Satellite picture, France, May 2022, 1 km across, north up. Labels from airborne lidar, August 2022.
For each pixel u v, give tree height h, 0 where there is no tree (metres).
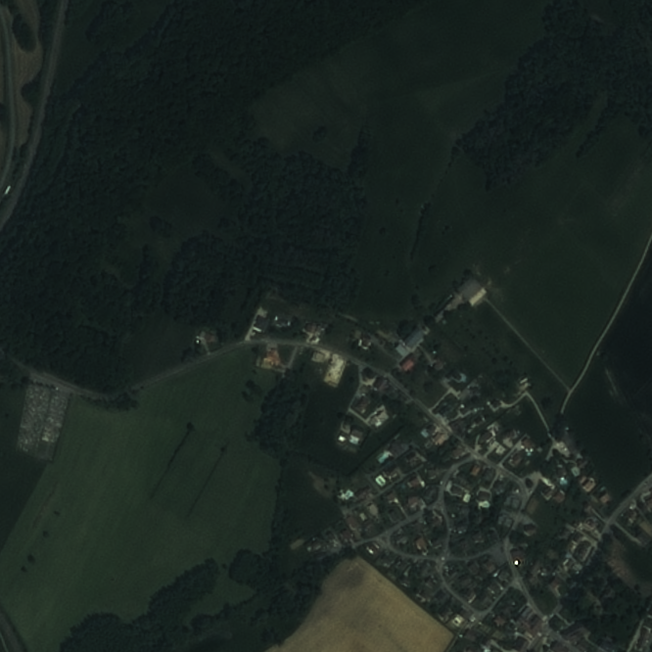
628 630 8
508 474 0
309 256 24
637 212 0
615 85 30
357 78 0
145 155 28
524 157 24
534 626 0
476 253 0
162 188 0
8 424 0
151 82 25
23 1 0
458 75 0
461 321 0
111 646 23
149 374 0
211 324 20
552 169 0
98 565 0
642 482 0
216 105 19
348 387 0
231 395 0
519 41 0
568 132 24
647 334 0
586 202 0
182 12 22
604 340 0
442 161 0
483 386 0
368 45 0
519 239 0
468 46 0
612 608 24
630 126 0
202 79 28
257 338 0
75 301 23
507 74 0
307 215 29
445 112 0
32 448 0
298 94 0
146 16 0
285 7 23
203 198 0
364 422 0
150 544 0
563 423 21
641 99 27
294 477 0
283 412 25
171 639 24
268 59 26
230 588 0
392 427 0
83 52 0
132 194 27
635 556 0
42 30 12
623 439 0
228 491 0
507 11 0
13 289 27
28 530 0
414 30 0
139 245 0
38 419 0
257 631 0
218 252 18
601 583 31
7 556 0
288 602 22
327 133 13
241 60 24
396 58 0
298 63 16
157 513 0
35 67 0
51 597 0
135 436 0
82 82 16
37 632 0
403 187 0
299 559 0
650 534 0
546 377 0
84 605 0
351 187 15
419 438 0
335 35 19
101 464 0
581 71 26
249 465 0
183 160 18
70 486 0
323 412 0
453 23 0
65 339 24
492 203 0
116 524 0
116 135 25
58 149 14
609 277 0
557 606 0
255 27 28
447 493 7
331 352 0
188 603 20
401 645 0
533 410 0
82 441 0
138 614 0
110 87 19
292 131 0
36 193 17
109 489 0
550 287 0
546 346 0
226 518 0
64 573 0
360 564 0
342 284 26
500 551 0
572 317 0
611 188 0
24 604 0
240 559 16
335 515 0
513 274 0
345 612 0
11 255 17
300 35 19
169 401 0
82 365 24
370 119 0
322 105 0
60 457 0
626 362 0
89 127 26
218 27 21
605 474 0
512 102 21
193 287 17
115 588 0
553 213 0
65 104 24
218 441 0
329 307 11
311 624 0
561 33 24
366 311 0
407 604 0
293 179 26
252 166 19
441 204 0
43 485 0
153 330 0
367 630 0
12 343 19
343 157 0
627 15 9
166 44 19
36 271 26
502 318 0
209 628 7
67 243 27
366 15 17
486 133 22
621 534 20
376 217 0
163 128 25
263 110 0
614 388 0
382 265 0
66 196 27
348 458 0
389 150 0
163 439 0
